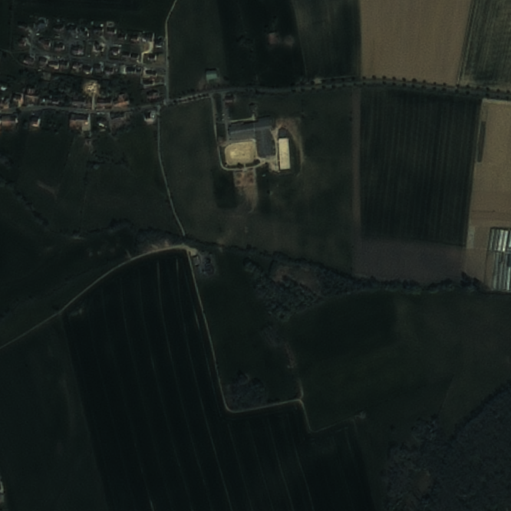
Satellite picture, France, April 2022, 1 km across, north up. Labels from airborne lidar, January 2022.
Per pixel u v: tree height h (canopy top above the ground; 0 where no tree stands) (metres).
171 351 0
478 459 25
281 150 0
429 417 0
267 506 0
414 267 0
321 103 0
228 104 7
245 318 0
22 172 0
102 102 0
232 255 0
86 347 0
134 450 0
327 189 0
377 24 0
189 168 0
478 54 0
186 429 0
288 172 0
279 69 0
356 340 0
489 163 0
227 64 0
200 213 0
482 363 0
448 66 0
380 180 0
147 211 0
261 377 0
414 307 0
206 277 0
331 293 19
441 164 0
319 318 0
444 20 0
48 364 0
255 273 15
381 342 0
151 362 0
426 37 0
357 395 0
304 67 0
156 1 0
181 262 0
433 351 0
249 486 0
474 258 0
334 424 0
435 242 0
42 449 0
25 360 0
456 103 0
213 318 0
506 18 0
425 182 0
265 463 0
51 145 0
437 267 0
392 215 0
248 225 0
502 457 26
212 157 0
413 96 0
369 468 0
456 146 0
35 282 0
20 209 0
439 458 24
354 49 0
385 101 0
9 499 0
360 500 0
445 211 0
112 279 0
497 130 0
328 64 0
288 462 0
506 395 23
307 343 0
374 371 0
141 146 0
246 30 0
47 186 0
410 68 0
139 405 0
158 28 0
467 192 0
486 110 0
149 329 0
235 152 0
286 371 0
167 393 0
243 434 0
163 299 0
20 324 0
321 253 0
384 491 0
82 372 0
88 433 0
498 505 21
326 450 0
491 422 25
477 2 0
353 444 0
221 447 0
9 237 0
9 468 0
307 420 0
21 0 0
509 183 0
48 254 0
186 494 0
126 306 0
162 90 0
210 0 0
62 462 0
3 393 0
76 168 0
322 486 0
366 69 0
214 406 0
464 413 0
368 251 0
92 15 0
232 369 0
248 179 0
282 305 22
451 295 0
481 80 0
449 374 0
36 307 0
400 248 0
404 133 0
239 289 0
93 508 0
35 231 0
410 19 0
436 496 23
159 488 0
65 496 0
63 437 0
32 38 0
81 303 0
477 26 0
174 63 0
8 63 0
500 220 0
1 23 0
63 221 0
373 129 0
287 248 0
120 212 0
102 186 0
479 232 0
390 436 0
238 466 0
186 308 0
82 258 0
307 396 0
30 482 0
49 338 0
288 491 0
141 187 0
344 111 0
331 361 0
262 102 0
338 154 0
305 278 0
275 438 0
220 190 0
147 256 0
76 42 0
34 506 0
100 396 0
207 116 0
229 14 0
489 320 0
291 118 0
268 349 0
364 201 0
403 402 0
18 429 0
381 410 0
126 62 0
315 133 0
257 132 0
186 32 0
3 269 0
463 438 21
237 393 20
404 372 0
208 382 0
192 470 0
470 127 0
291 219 0
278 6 0
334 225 0
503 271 0
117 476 0
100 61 0
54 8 0
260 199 0
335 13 0
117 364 0
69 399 0
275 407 0
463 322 0
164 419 0
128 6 0
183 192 0
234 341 0
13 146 0
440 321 0
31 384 0
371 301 0
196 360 0
